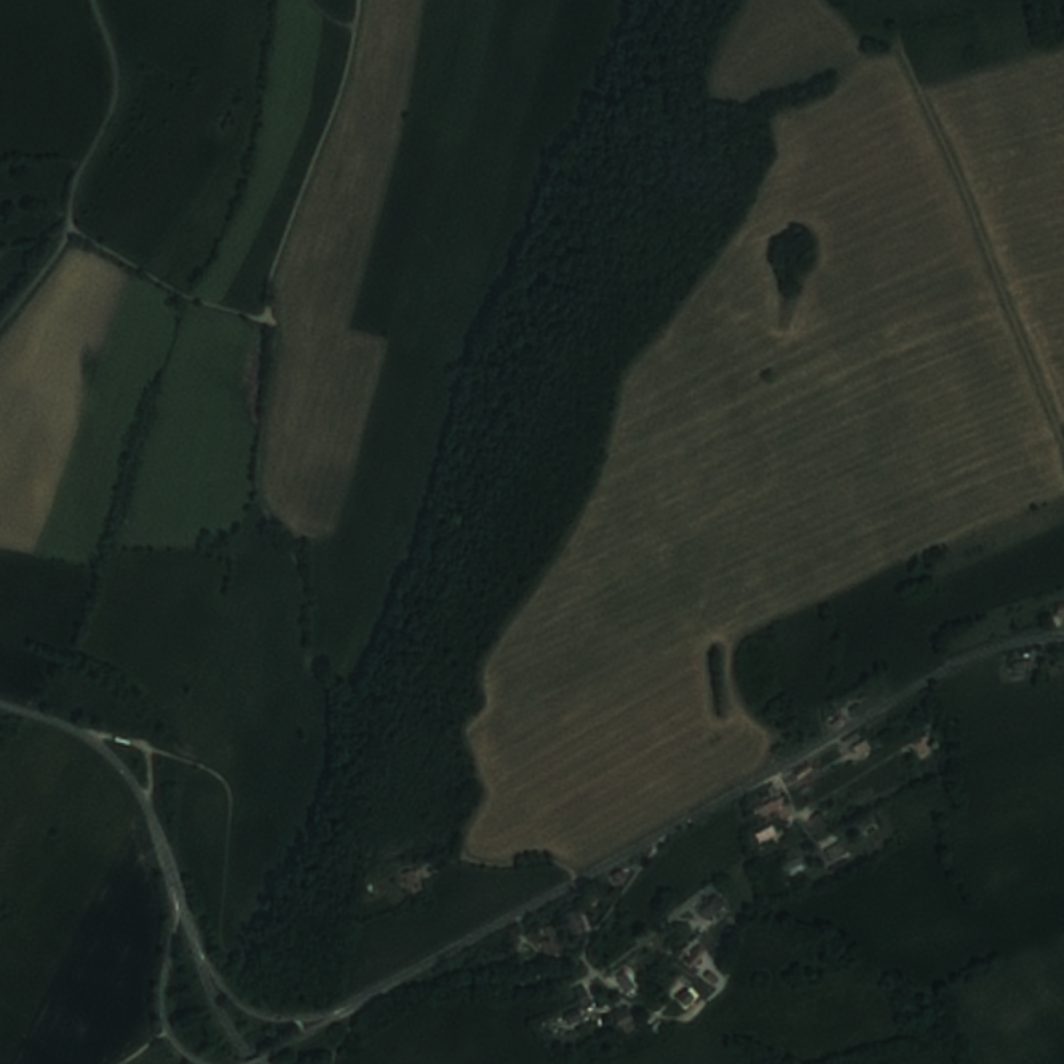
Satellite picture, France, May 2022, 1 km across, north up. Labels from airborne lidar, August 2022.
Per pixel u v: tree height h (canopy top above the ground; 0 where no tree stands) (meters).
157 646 0
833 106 0
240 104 7
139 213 0
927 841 0
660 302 11
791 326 0
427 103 0
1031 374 0
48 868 0
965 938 0
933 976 0
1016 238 0
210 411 0
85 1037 0
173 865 0
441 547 24
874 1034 0
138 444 19
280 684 0
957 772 19
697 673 0
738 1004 0
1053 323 0
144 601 0
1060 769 0
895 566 0
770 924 8
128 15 0
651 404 0
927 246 0
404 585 19
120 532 7
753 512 0
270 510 0
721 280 0
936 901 0
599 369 12
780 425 0
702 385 0
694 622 0
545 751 0
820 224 0
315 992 16
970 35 0
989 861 0
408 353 0
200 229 0
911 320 0
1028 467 0
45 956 0
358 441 0
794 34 0
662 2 21
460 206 0
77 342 0
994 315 0
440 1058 0
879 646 0
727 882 15
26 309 0
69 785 0
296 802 0
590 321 9
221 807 0
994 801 0
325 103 0
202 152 0
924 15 0
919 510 0
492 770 0
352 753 18
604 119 22
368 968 0
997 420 0
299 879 14
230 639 0
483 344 17
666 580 0
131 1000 0
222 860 0
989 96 0
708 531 0
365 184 0
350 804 18
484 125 0
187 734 0
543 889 0
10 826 0
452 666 9
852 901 0
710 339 0
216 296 0
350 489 0
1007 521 0
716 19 16
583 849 0
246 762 0
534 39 0
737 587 0
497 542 9
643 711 0
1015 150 0
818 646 0
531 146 0
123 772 0
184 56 0
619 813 0
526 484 10
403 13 0
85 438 0
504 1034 0
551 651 0
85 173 0
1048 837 0
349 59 0
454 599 7
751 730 0
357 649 0
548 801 0
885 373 0
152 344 0
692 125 14
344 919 17
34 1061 0
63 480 0
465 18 0
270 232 0
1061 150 0
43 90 0
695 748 0
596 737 0
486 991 21
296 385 0
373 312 0
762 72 0
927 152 0
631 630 0
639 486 0
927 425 0
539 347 17
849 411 0
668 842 8
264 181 0
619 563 0
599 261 14
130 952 0
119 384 0
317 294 0
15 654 0
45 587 0
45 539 0
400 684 14
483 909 0
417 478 0
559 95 0
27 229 0
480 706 11
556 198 20
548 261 22
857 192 0
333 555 0
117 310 0
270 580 0
